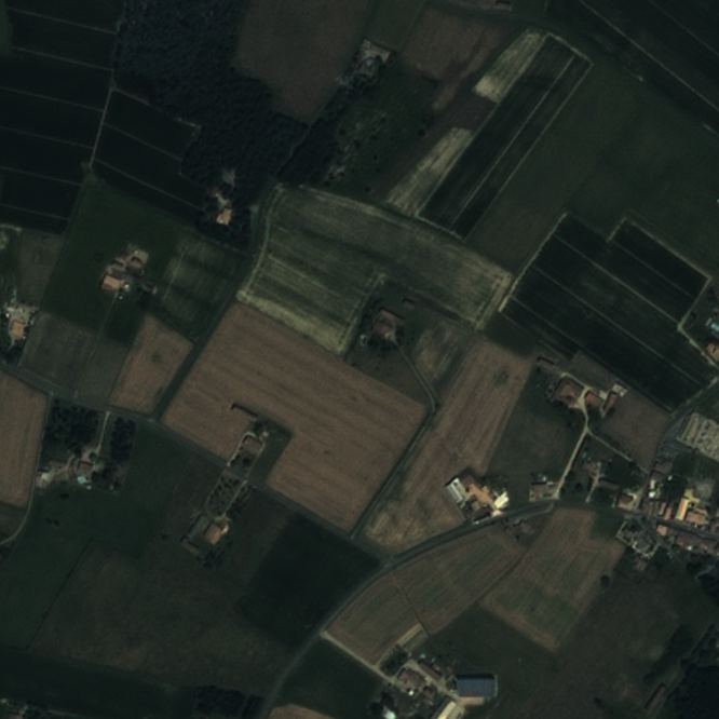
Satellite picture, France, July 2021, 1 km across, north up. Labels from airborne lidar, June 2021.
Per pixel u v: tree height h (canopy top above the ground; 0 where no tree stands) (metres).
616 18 0
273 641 0
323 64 0
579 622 0
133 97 0
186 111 16
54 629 0
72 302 0
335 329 0
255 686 0
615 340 0
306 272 0
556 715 0
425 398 0
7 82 0
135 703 0
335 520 0
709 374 0
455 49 0
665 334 0
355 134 0
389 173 0
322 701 0
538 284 0
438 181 0
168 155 0
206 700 14
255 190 13
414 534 0
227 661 0
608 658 0
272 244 0
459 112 0
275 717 0
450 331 0
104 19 0
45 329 0
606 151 0
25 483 0
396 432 0
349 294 0
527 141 0
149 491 0
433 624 0
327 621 0
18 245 0
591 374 0
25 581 0
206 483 0
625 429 0
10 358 12
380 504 0
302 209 0
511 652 0
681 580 0
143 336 0
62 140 0
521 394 0
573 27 0
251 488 5
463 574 0
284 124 24
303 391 0
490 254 0
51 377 0
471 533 0
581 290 0
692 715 25
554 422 0
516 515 0
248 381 0
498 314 0
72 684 0
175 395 0
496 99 0
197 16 22
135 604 0
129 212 0
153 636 0
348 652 0
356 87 12
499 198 0
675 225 0
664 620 0
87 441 7
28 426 0
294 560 0
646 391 0
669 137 0
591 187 0
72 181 0
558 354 0
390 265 0
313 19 0
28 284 0
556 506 0
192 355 0
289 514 0
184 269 0
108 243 0
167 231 0
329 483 0
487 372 0
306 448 0
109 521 0
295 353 0
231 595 0
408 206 0
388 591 0
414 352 0
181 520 0
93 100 0
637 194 0
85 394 0
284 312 0
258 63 0
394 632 0
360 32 0
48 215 0
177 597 0
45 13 0
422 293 0
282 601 0
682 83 0
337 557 0
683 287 0
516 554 0
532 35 0
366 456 0
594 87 0
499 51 0
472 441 0
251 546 0
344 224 0
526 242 0
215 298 0
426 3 0
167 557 0
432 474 0
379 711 17
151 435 0
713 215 0
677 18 0
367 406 0
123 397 0
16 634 0
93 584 0
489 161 0
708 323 0
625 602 0
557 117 0
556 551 0
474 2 0
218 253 0
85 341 0
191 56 20
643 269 0
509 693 0
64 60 0
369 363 0
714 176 0
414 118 0
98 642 0
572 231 0
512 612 0
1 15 0
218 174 15
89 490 0
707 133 0
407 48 0
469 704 0
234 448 0
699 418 0
